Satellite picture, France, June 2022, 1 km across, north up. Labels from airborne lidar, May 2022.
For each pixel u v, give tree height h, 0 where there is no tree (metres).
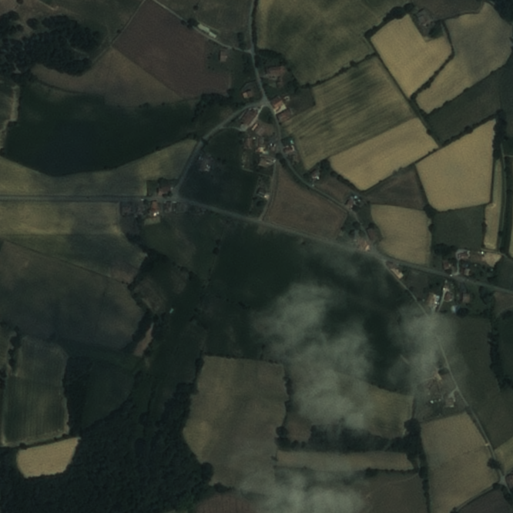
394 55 0
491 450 0
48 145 0
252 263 0
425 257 0
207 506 0
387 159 0
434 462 0
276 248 0
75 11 0
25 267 0
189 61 0
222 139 0
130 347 6
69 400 11
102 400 0
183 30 0
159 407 0
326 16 0
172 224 0
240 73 0
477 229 0
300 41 0
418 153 0
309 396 0
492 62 0
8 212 0
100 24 0
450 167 0
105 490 30
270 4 0
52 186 0
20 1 11
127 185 0
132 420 22
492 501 0
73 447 0
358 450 15
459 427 0
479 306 0
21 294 0
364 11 0
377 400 0
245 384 0
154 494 7
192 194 0
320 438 11
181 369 0
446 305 0
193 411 0
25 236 0
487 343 0
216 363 0
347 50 0
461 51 0
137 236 8
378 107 0
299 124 0
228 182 0
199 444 0
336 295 0
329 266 0
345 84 0
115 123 0
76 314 0
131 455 23
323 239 0
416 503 0
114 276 0
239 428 0
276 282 0
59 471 0
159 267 0
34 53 24
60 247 0
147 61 0
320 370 0
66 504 25
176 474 19
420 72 0
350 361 0
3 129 0
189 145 0
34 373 0
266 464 0
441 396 0
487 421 0
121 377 0
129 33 0
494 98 0
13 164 0
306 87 8
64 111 0
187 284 0
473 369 0
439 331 0
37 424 0
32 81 16
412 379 0
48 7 0
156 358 0
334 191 0
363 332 0
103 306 0
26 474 0
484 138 0
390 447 6
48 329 0
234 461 0
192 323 9
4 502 15
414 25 0
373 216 0
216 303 0
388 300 0
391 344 0
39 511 29
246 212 0
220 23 0
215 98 16
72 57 23
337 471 0
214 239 0
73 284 0
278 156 10
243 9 0
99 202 0
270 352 0
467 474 0
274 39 0
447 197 0
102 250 0
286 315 0
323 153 0
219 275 0
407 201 0
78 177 0
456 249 6
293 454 0
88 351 0
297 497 11
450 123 0
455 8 0
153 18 0
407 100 0
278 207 0
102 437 22
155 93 0
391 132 0
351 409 0
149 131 0
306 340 0
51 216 0
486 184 0
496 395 0
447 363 0
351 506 0
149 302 0
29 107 0
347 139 0
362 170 0
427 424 0
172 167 0
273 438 0
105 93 0
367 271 0
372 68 0
